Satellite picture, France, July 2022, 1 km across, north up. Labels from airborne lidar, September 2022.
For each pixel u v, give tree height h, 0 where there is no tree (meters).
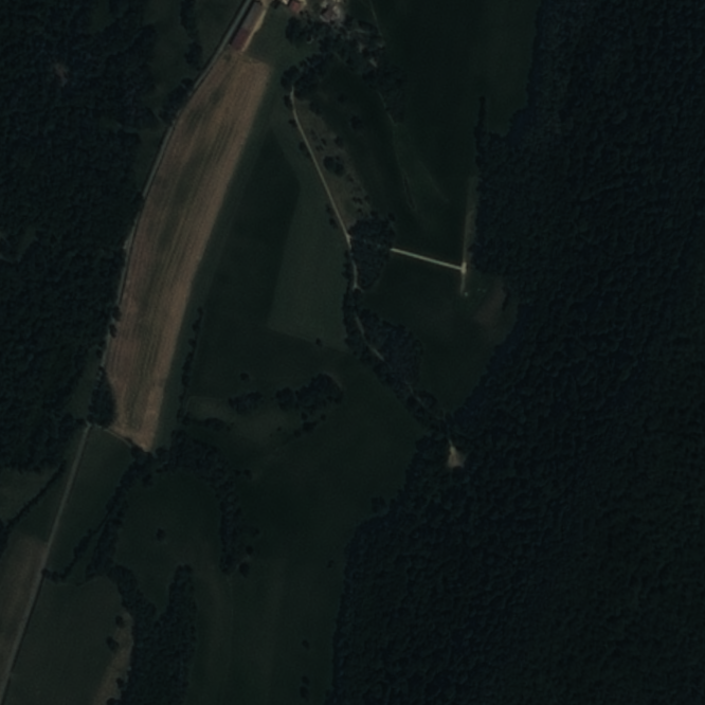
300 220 0
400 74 7
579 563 21
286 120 0
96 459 0
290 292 0
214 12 0
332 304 0
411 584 28
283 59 0
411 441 0
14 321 20
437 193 0
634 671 21
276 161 0
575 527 22
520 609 26
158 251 0
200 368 0
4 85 18
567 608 25
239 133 0
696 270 18
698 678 21
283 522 0
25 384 21
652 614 21
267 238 0
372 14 0
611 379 15
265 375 0
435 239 0
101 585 0
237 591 0
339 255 0
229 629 0
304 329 0
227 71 0
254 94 0
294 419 0
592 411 23
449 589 30
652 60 32
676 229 23
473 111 0
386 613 23
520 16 0
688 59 20
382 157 0
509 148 21
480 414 24
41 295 12
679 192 23
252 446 0
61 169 19
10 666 0
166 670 19
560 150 25
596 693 18
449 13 0
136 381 0
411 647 19
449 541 30
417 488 25
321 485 0
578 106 31
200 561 0
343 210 0
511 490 33
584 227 25
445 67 0
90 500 0
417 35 0
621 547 11
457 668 25
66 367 5
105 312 11
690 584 13
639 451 17
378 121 0
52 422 17
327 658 0
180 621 17
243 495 0
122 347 0
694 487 24
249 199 0
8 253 21
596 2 17
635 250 14
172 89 0
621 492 8
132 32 20
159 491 0
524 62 0
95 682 0
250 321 0
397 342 28
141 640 21
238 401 11
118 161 24
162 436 0
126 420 0
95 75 9
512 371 26
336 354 0
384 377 15
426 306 0
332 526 0
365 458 0
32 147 19
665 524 16
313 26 13
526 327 28
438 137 0
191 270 0
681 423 13
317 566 0
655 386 18
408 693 29
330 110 0
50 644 0
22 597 0
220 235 0
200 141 0
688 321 12
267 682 0
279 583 0
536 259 21
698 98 23
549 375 30
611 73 30
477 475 29
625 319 29
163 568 0
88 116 26
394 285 0
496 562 30
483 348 0
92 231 20
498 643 25
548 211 19
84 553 11
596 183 27
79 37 26
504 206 28
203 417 0
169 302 0
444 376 0
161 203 0
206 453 6
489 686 18
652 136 19
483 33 0
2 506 0
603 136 31
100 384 14
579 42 17
